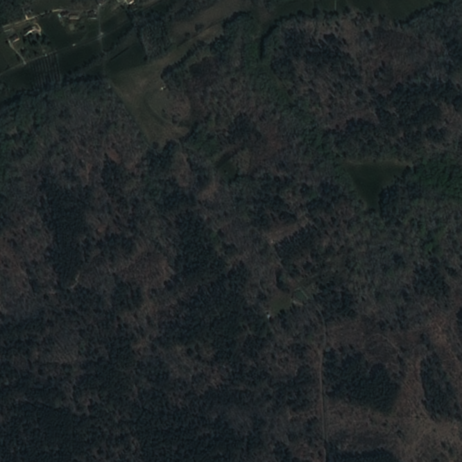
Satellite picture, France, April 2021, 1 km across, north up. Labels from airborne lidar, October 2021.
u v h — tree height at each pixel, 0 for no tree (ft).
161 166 78
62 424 75
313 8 0
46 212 59
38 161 65
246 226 44
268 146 34
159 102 0
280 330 32
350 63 68
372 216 58
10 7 96
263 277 44
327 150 82
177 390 42
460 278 24
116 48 40
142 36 112
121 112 55
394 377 39
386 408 86
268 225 94
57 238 44
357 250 59
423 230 70
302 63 73
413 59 42
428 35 70
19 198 56
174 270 49
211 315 76
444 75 47
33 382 70
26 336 28
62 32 0
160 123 0
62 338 42
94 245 49
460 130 43
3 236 77
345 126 18
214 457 57
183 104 35
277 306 0
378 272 52
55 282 31
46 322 76
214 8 0
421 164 60
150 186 71
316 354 54
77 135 66
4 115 61
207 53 74
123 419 63
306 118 67
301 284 0
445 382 63
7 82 0
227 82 48
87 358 28
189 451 28
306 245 76
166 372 85
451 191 66
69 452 71
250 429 35
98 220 56
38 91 62
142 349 36
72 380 47
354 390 60
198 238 74
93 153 57
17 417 22
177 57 0
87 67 44
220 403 35
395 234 30
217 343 50
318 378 25
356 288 56
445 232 60
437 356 53
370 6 0
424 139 73
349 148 82
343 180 68
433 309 27
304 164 50
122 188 77
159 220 54
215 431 54
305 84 77
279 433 46
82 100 69
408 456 0
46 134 63
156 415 57
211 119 61
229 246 35
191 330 74
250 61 81
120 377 75
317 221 43
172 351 74
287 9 0
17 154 58
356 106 35
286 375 28
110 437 24
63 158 82
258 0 38
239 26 71
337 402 59
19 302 31
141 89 0
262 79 81
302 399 72
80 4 64
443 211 37
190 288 82
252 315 68
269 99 44
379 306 57
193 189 47
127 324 30
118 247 88
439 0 0
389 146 80
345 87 47
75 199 71
